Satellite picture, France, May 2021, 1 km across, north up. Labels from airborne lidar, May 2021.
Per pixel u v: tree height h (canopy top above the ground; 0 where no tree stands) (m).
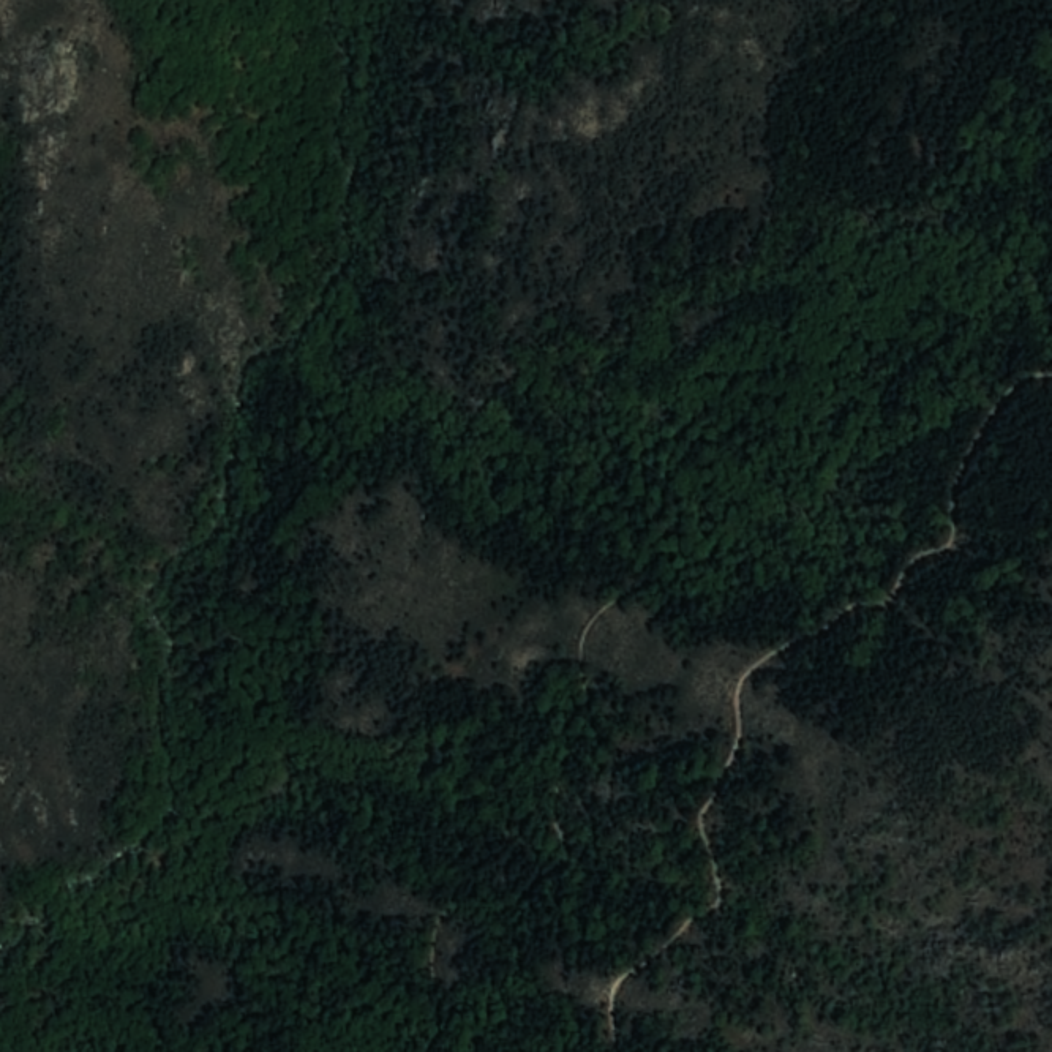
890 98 10
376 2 19
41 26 0
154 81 18
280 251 13
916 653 18
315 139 25
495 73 15
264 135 23
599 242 13
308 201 30
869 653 15
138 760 13
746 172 0
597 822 15
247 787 15
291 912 20
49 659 0
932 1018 11
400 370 11
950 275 20
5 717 0
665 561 25
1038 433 23
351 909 16
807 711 20
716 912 10
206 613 19
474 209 20
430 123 15
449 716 17
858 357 24
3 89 0
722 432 16
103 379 10
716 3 8
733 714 0
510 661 0
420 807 21
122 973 17
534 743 17
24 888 17
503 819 8
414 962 18
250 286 15
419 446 22
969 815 8
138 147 12
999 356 16
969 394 22
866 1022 8
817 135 23
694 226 10
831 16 13
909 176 16
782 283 15
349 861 14
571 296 15
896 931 0
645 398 14
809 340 25
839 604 16
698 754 27
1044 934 8
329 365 17
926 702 11
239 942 18
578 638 0
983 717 9
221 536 19
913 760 8
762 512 16
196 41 21
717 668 0
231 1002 7
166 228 0
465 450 31
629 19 13
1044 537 13
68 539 9
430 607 0
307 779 14
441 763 16
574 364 18
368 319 20
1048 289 19
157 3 27
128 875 16
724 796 19
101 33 0
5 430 7
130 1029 17
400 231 11
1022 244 23
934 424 23
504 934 12
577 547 23
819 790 0
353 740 14
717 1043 13
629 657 0
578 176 8
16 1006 15
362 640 10
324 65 15
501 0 0
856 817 0
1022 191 21
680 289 12
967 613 14
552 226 11
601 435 12
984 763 9
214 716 18
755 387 28
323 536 7
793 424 24
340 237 13
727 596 16
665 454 24
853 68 20
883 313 27
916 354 11
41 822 0
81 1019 19
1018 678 8
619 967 14
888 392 15
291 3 16
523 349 14
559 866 8
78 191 0
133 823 19
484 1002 17
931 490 19
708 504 19
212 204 0
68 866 9
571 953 17
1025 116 27
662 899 16
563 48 18
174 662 14
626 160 17
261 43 13
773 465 16
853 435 21
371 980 20
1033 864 0
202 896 8
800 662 20
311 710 21
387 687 14
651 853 20
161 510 0
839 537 19
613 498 28
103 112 0
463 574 0
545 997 21
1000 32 29
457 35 16
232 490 14
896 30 16
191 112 15
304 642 19
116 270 0
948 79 20
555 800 15
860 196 18
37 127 0
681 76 12
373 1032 27
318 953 27
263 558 24
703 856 8
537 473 20
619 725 15
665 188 20
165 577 12
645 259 32
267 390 15
